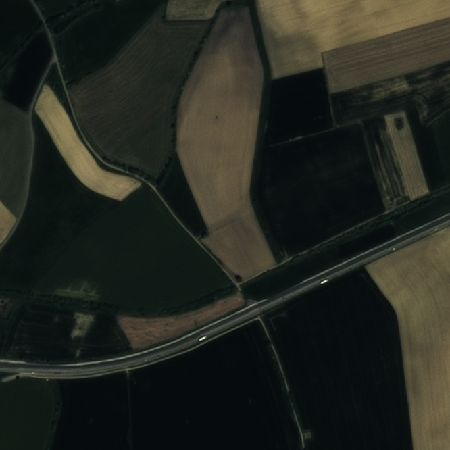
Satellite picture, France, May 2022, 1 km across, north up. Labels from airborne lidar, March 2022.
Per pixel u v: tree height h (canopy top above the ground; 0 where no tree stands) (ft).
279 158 0
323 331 0
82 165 0
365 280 0
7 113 0
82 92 0
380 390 0
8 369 0
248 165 0
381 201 0
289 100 0
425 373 0
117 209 0
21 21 0
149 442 0
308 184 0
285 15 0
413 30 0
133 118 0
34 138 0
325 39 0
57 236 0
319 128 0
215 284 0
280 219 0
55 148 0
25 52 0
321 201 0
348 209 0
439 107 0
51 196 0
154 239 0
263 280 0
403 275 0
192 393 0
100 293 0
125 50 0
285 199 0
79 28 0
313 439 0
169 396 0
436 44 0
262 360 0
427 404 0
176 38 0
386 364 0
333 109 0
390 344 0
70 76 0
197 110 0
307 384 0
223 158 0
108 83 0
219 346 0
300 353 0
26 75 0
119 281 0
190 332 0
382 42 0
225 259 0
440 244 0
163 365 0
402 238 0
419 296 0
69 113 0
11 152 0
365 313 0
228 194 0
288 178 0
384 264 0
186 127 0
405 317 0
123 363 0
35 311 0
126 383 0
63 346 0
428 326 0
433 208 0
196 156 0
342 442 0
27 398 0
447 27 0
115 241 0
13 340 0
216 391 0
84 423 0
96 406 0
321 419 0
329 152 0
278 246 0
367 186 0
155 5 0
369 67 0
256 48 0
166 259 0
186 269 0
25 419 0
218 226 0
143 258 0
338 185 0
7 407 0
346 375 0
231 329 0
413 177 0
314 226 0
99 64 0
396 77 0
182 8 0
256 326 0
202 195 0
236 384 0
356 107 0
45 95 0
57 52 19
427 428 0
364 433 0
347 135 0
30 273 0
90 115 0
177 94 0
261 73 0
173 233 0
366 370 0
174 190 0
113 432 0
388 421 0
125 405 0
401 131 0
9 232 0
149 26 0
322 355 0
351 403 0
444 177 0
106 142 0
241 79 0
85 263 0
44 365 0
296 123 0
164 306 0
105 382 0
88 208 0
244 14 0
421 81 0
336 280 0
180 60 0
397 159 0
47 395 0
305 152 0
